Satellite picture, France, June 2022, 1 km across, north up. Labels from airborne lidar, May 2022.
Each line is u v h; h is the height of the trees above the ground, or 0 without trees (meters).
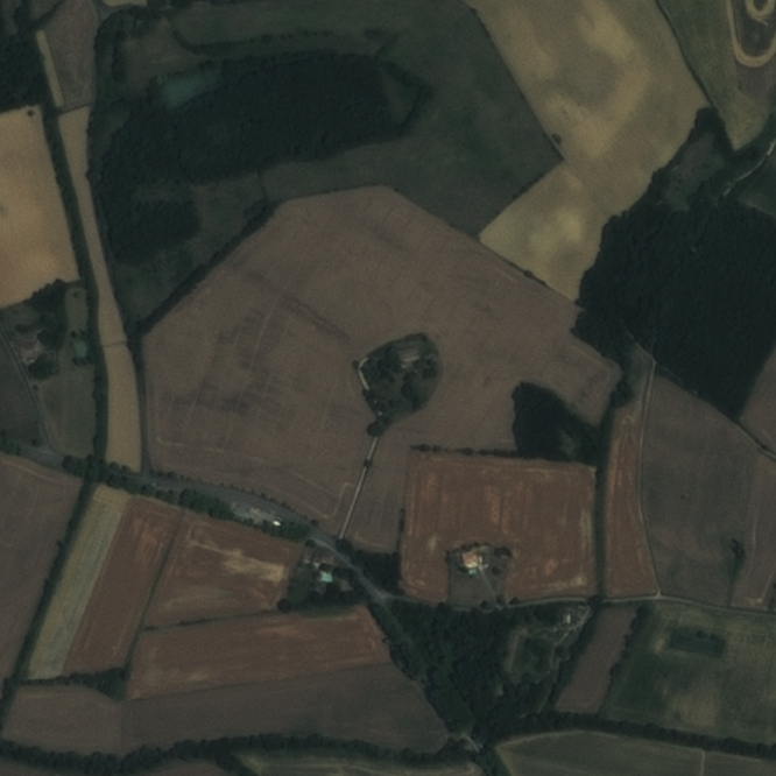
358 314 0
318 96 18
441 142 0
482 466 0
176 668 0
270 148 18
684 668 0
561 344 0
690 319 12
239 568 0
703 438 0
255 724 0
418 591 0
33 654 0
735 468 0
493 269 0
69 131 0
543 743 0
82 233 7
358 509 0
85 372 0
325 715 0
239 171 17
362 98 21
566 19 0
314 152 18
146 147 15
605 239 11
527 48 0
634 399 8
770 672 0
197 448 0
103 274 0
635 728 13
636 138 0
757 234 12
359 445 0
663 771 0
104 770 22
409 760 8
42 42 0
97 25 0
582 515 0
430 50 0
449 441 0
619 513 0
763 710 0
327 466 0
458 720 36
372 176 0
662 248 30
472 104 0
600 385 0
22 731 0
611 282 21
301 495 0
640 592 0
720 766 0
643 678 0
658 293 12
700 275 14
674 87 0
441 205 0
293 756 0
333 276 0
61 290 16
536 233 0
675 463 0
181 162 16
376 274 0
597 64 0
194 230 14
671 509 0
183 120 19
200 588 0
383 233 0
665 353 17
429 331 0
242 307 0
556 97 0
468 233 0
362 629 0
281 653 0
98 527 0
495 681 23
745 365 12
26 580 0
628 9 0
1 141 0
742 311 15
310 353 0
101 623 0
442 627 15
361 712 0
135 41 0
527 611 11
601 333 24
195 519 0
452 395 0
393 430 0
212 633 0
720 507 0
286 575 0
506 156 0
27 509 0
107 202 14
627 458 0
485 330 0
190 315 0
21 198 0
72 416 0
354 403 0
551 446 22
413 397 13
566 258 0
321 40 0
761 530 0
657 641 0
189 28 0
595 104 0
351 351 0
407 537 0
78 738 0
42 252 0
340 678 0
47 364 9
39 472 0
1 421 0
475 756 13
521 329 0
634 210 8
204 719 0
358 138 11
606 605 9
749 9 0
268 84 25
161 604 0
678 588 0
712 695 0
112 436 0
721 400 15
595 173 0
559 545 0
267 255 0
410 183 0
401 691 0
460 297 0
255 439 0
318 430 0
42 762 11
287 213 0
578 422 19
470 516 0
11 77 20
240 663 0
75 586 0
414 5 0
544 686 18
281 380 0
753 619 0
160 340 0
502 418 0
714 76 0
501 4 0
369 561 16
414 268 0
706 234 12
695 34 0
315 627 0
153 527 0
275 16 0
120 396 0
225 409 0
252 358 0
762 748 14
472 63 0
